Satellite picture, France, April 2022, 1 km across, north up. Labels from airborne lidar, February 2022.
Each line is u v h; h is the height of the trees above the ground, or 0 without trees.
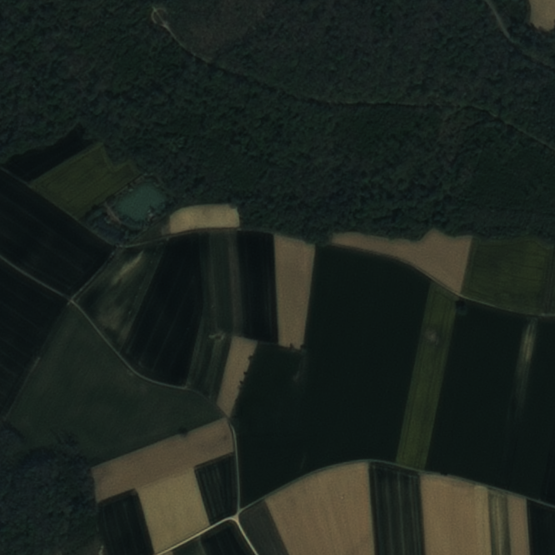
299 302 0
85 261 0
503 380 0
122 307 0
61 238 0
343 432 0
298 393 0
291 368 0
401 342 0
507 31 0
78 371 0
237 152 16
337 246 0
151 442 0
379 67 23
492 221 17
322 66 28
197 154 16
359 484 0
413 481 0
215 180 13
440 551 0
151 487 0
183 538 0
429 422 0
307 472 0
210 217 0
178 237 0
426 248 0
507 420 0
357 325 0
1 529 33
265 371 0
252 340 0
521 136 10
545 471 0
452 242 0
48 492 34
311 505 0
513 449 0
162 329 0
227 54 24
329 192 26
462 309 19
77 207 0
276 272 0
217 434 0
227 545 0
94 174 0
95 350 0
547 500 0
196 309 0
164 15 0
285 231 9
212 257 0
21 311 0
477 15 30
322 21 32
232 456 0
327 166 26
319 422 0
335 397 0
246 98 31
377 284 0
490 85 29
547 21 0
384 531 0
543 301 0
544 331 0
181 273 0
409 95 28
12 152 17
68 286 0
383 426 0
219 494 0
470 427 0
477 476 0
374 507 0
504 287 0
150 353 0
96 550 0
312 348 0
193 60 31
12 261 0
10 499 31
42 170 0
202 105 29
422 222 31
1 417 0
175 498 0
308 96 24
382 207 30
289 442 0
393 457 0
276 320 0
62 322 0
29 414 0
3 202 0
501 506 0
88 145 0
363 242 0
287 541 0
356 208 26
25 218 0
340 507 0
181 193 27
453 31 30
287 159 23
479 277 0
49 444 0
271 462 0
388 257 0
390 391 0
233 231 0
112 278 0
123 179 0
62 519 32
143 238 0
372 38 29
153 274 0
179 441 0
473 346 0
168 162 12
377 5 28
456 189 15
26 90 26
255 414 0
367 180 12
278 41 29
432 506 0
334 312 0
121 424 0
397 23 28
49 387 0
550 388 0
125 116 30
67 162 0
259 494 0
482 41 31
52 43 34
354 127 11
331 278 0
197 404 0
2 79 25
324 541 0
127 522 0
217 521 0
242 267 0
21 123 25
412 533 0
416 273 0
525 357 0
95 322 0
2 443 26
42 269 0
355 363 0
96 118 38
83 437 0
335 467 0
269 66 29
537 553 0
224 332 0
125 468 0
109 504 0
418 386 0
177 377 0
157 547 0
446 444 0
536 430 0
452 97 28
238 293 0
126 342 0
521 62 23
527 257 0
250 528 0
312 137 26
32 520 29
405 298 0
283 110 25
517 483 0
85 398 0
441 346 0
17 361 0
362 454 0
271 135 28
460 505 0
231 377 0
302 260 0
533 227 10
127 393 0
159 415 0
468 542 0
